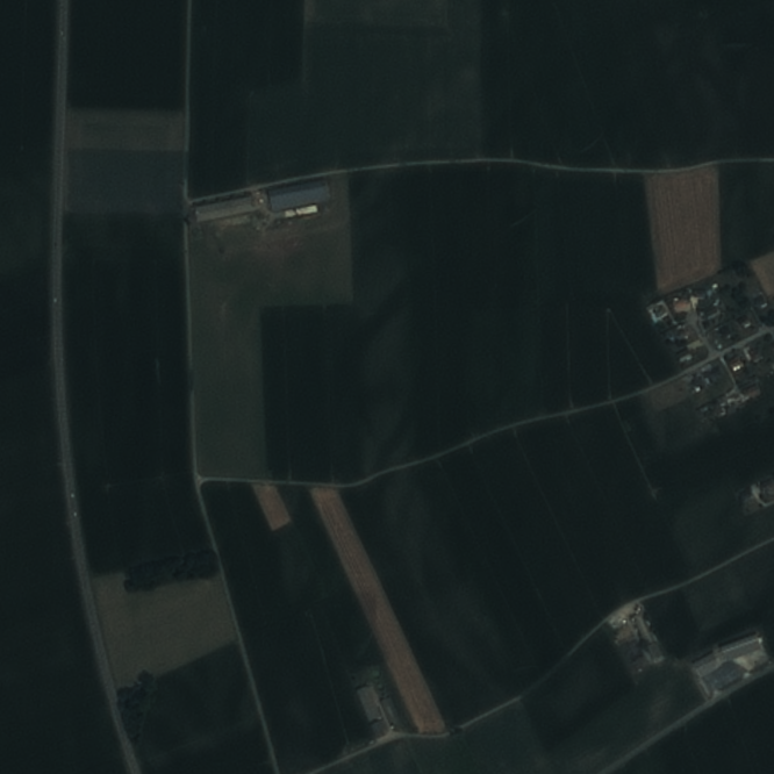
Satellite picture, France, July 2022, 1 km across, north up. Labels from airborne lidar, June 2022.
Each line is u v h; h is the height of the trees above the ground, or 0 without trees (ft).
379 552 0
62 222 0
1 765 0
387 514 0
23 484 0
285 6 0
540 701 0
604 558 0
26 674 0
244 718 0
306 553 0
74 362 0
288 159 0
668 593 0
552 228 0
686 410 0
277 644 0
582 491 0
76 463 0
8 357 0
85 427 0
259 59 0
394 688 0
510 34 0
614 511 0
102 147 0
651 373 0
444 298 0
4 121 0
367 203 0
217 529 0
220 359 0
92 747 0
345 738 0
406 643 0
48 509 0
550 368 0
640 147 0
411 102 0
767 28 0
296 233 0
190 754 0
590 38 0
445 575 0
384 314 0
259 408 0
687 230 0
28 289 0
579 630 0
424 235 0
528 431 0
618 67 0
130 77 0
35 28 0
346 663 0
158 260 0
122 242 0
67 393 0
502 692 0
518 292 0
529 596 0
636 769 0
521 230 0
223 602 0
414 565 0
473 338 0
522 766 0
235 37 0
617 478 0
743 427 0
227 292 0
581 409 0
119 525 0
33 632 0
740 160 0
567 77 0
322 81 0
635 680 0
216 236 0
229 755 0
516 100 0
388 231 0
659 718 0
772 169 0
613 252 0
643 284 0
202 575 49
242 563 0
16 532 0
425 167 0
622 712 0
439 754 0
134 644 0
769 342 29
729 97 0
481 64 0
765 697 0
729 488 0
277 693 0
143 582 39
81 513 0
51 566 0
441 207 0
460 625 0
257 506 0
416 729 0
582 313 0
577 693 0
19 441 0
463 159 0
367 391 0
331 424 0
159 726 0
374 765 0
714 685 0
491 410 0
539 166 0
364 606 0
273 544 0
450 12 0
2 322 0
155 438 0
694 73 0
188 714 0
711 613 0
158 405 0
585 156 0
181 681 0
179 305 0
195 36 0
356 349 0
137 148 0
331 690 0
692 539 0
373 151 0
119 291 0
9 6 0
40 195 0
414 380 0
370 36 0
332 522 0
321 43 0
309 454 0
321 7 0
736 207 0
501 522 0
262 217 0
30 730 0
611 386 0
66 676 0
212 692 0
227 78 0
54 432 0
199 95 0
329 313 0
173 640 0
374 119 0
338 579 0
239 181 0
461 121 0
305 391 0
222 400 0
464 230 0
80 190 0
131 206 0
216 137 0
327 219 0
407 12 0
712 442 0
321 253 0
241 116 0
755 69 0
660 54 0
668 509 0
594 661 0
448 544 0
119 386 0
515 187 0
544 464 0
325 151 0
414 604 0
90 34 0
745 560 0
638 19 0
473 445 0
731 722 0
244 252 0
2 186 0
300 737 0
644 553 0
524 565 0
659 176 0
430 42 0
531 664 0
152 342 0
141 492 0
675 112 0
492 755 0
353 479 0
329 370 0
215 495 0
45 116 0
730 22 0
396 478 0
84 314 0
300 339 0
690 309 0
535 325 0
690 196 0
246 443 0
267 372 0
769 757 0
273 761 0
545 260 0
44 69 0
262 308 0
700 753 0
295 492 0
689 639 0
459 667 0
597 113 0
